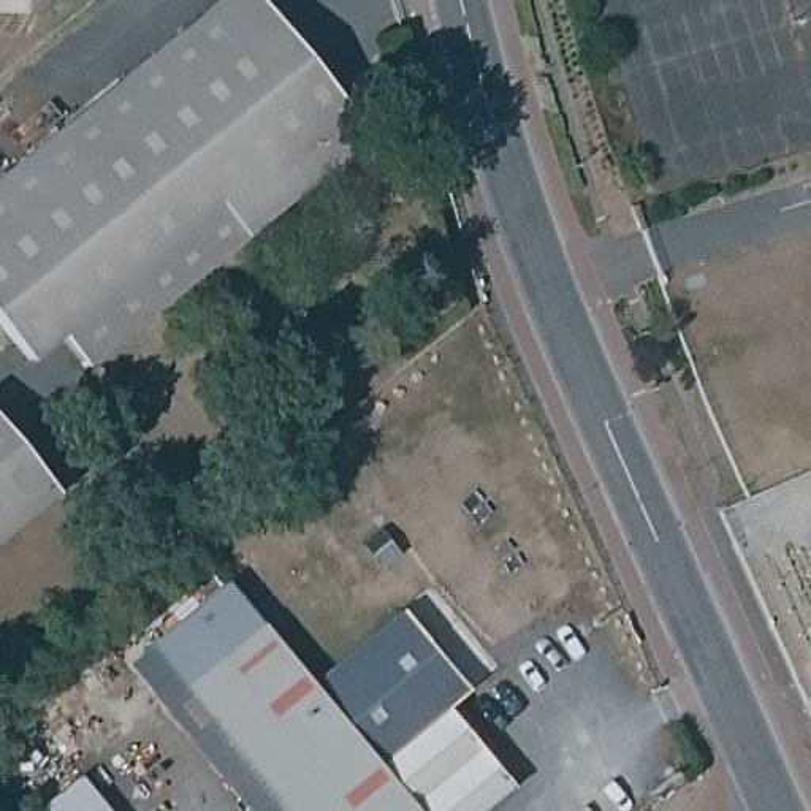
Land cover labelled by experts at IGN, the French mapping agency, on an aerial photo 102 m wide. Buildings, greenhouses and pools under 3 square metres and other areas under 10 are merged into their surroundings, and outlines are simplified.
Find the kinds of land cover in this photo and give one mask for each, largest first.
<instances>
[{"label":"impervious surface","instance_id":"1","mask_svg":"<svg viewBox=\"0 0 811 811\"><path fill-rule=\"evenodd\" d=\"M215 0H101L98 16H92L79 32L67 35L38 63L25 67L22 73H16L10 86L0 89V177L13 174L29 149H38L48 139L51 127H67L70 114H79L101 86H108L111 79H127L168 41H174L177 32L196 25ZM279 10L314 44V51L326 60V67L336 73L345 92L355 89V82H361L374 60H380L377 38L383 29L412 32L406 44L412 48L415 60L447 86L440 117L463 136L466 146V193H453L450 206L459 228L469 219L491 222V234L482 241V260L494 279V295L507 333L523 358L542 412L611 554L621 592L627 596V605L640 615L656 668L659 675H668L672 684L656 687L653 694H637V684L630 672L618 662L615 649L602 637L586 634L583 624L573 630L558 627L554 640H539L535 646H529L523 653L526 662H520L523 684L504 681L494 672L491 653L478 646L475 634L466 630V624L456 618L450 599L440 589H431L428 599H412V611H406V621L428 643V649L437 653L440 665L450 668V675L463 687V694L453 697L450 710H456L482 735L491 754L516 779L513 789L488 811H653V798H665L675 789V779L684 776L678 773L672 757L675 741L668 725L684 729V735L691 738L694 751L706 767L703 773V789L713 798V811H811V472L763 494H751L741 466L725 440V431L713 412L710 393L700 380V367L687 342H678L694 377V390H687L675 364H665L653 383L643 380L634 367V355L624 339L627 326L649 323V307L643 301L646 282H656L662 301L672 304L668 272H675L678 266L694 260H713L738 247L760 244L767 238L811 228V181L687 219L675 222L672 228H646L640 209L630 203V190L618 168L605 162L608 139L589 86V82L580 86L561 79L564 105H558L583 184L580 193L592 200L599 225L596 238L583 231L570 196L558 181V155L548 149L545 139V111L535 108V98L529 95L516 6L510 0H282ZM602 29L621 35V67L615 79L624 86V98L634 111V120L640 124V152L653 165L656 193H687L694 181H719L748 174L751 168H773V158L801 155L811 149V0H592ZM105 374V364L82 367L70 345H54L48 355L29 361L10 342L6 333H0V380L19 377L38 396H51L57 386L67 390H82V374ZM196 608V596L174 602L165 615L149 621L146 634L133 640L124 653H111L98 659L92 668H86L76 687L57 694L48 703L44 722L51 748L41 754L35 751L19 767V773L29 786L54 779L60 792L79 779H89L114 811H238L225 801L231 795V801H241V789L228 782V776L177 722L171 706L155 694V687L146 681L136 662L149 646L162 653V637Z\"/></svg>","mask_w":811,"mask_h":811},{"label":"herbaceous vegetation","instance_id":"2","mask_svg":"<svg viewBox=\"0 0 811 811\"><path fill-rule=\"evenodd\" d=\"M101 0H0V89L10 86L16 73H22L25 67L38 63L67 35L79 32L92 16H98ZM516 6L529 95L535 98V108L545 111V139L548 149L558 155V181L570 196L583 231L596 238L599 225L592 200L580 193L583 184L558 105H564L561 79L580 86L589 82L580 63L577 25L570 19L573 0H510ZM608 139L605 162L618 168L621 155L640 152V124L634 120V111L624 98V86L615 79L589 86ZM811 181V149L801 155L773 158V181L748 187L741 193L710 196L697 203L687 212V219ZM339 177L345 196L355 200V209L364 219H371V228L348 238V257L358 269L374 257H390L396 276H415L425 272V263H434L440 279L437 288L428 295V304L444 310L453 301H469L472 307L447 329H440L425 348L374 374L361 348L352 342V326L364 320L361 285H348L310 307L285 304L279 295L263 288L257 276L238 266H225L215 272L222 285L247 310H253V336L260 342H276L279 329L310 336L317 348L336 358V367L342 371V409L329 418L339 431V440L329 450L336 491H329L320 501V510L326 516L307 523L298 532H260L241 539L234 545V554L247 567L231 583L247 596V602L263 615V621L279 630V637L291 646V653L307 665L314 678L326 675L333 668V659H345L377 630L390 627L393 621H406V611H412V599H428L431 589H440L450 599L456 618L466 624V630L475 634L478 646L491 653L494 672L504 681L523 684L520 662H526L523 653L529 646H535L539 640H554L558 627L573 630L583 624L586 634L602 637L615 649L618 662L630 672L637 684V694H653L656 687L672 684L668 675H659L656 668L640 615L627 605V596L621 592L611 554L542 412L523 358L507 333L494 295V279L482 260V241L491 234V222L469 219L459 228L450 206H444L447 231L421 228L418 234H396L390 244H380L386 206H396L393 187L377 181L358 158H352L345 165L329 168ZM672 304L675 317L681 320L678 342H687L700 367V380L710 393L713 412L725 431V440L741 466L751 494H763L811 472V228L767 238L760 244L738 247L713 260H694L678 266L675 272H668ZM124 355L105 364V374H82V390L95 396L114 390L130 393L136 425H130L127 444H117L124 488L158 482L162 475L177 485L193 478L200 472V453L206 447L200 434L209 415L203 399L196 396L193 367L206 355L196 345L177 364H165L158 358L165 352V314H158L152 326H146L143 333L130 336V342L120 348ZM67 390L57 386L51 396H38L19 377L0 380V409L19 425V431L35 444V450L44 456L51 472L67 488L82 478L86 469L67 463V453L57 447V437L41 418V406L57 402ZM279 440L285 456H291L288 478L304 482L307 444L301 434V421H282ZM67 520L63 497L44 507L0 545V675L19 684L25 662L35 649H41L44 630L35 624V611L44 599L57 611L70 615L76 624L86 621L89 608L95 605L92 589L73 586L76 554L60 539V523ZM6 744L19 748L16 754H10V760H16L19 767L35 751L41 754L51 748L44 722L32 729H6ZM60 792L54 779L29 786L19 773L0 779V811H51V801ZM703 773L697 779L684 776L675 779V789L665 798H653V811H713V798L703 789Z\"/></svg>","mask_w":811,"mask_h":811},{"label":"building","instance_id":"3","mask_svg":"<svg viewBox=\"0 0 811 811\"><path fill-rule=\"evenodd\" d=\"M282 0H215L196 25L177 32L174 41H168L127 79H111L108 86H101L79 114H70L67 127H51L48 139L38 149H29L13 174L0 177V333H6L10 342L29 361L48 355L54 345H70L82 367L105 364L124 355L120 348L130 342V336L143 333L146 326H152L158 314H165L177 298L200 285L209 272H215L225 266H238L250 238L272 219H279L291 203H298L329 168L345 165L352 158V149L339 139V114L345 108V92L336 73L326 67V60L314 51V44L279 10ZM67 488L51 472L44 456L35 450V444L19 431V425L0 409V545L44 507L63 497ZM136 662L146 681L155 687V694L171 706L177 722L228 776V782L241 789V801H231V795L225 801L238 811H488L513 789L516 779L491 754L482 735L456 710H450L453 697L463 694V687L450 675V668L440 665L437 653L428 649V643L406 621H393L390 627L377 630L345 659H333V668L326 675L314 678L307 665L291 653V646L279 637V630L263 621V615L247 602V596L231 583L215 586L212 596H196V608L162 637V653L149 646ZM51 811H114L89 779H79L60 792L51 801Z\"/></svg>","mask_w":811,"mask_h":811},{"label":"deciduous trees","instance_id":"4","mask_svg":"<svg viewBox=\"0 0 811 811\"><path fill-rule=\"evenodd\" d=\"M570 19L577 25L580 63L589 82V86L615 79L621 67V35L602 29L592 0H573ZM412 32L383 29L377 38L380 60H374L361 82H355V89L345 92V108L339 114V139L352 149V158H358L377 181L393 187L396 206H386L380 244H390L396 234H418L421 228L447 231L444 206H450L453 193H466V146L463 136L440 117L447 86L415 60L412 48L406 44ZM630 190V203L640 209L646 228H672L675 222L687 219V212L697 203L710 196L741 193L748 187L773 181V168H751L748 174L719 181H694L687 193H656L653 165L640 152L621 155L618 168ZM371 228V219H364L355 209V200L345 196L339 177L329 168L298 203H291L279 219H272L250 238L238 266L257 276L263 288L279 295L285 304L310 307L348 285H361L364 320L352 326V342L361 348L374 374L425 348L440 329H447L472 307L469 301H453L444 310L428 304V295L437 288L440 279L434 263H425V272L415 276H396L390 257H374L358 269L348 257V238ZM196 345L206 355L193 367L196 396L203 399L209 415L200 434L206 447L200 453V472L193 478L177 485L162 475L158 482L124 488L117 444H127L130 425H136L130 393L114 390L95 396L82 390H67L57 402L41 406V418L57 437V447L67 453V463L86 469L82 478L67 488L63 497L67 520L60 523V539L76 554L73 586L92 589L95 605L89 608L86 621L76 624L70 615L57 611L44 599L35 611V624L44 630L41 649H35L25 662L19 684L0 675V779L19 773V767L16 760H10V754H16L19 748L6 744V729H32L44 722L48 703L57 694L76 687L86 668H92L98 659L111 653H124L133 640L146 634L149 621L165 615L174 602L196 596H212L215 586L231 583L247 567L234 554V545L241 539L260 532H298L307 523L326 516L320 510V501L329 491H336L329 450L339 440V431L329 418L342 409V371L336 367V358L317 348L310 336L279 329L276 342H260L253 336V310H247L222 285L215 272H209L200 285L177 298L165 314V352L158 358L165 364H177ZM282 421H301V434L307 444L304 482L288 478L291 456H285L279 440ZM643 301L649 307V323L627 326L624 339L634 355V367L643 380L653 383L665 364H675L687 390H694V377L678 342L681 320L675 317L672 304L662 301L656 282H646ZM675 741L672 757L678 773L684 776L697 779L703 773L706 767L694 751L691 738L684 735V729L668 725Z\"/></svg>","mask_w":811,"mask_h":811}]
</instances>
